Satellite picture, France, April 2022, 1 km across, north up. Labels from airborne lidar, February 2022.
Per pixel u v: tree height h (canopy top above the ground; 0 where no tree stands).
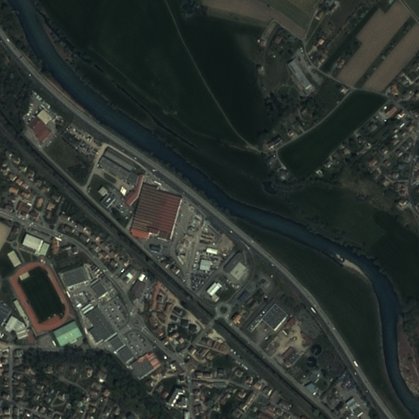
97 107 0
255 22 0
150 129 0
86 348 0
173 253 0
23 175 0
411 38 0
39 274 0
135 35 0
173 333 0
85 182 0
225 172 0
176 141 0
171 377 0
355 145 11
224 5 0
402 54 0
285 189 21
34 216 0
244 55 0
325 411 0
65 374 0
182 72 0
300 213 15
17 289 0
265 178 0
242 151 0
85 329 0
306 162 0
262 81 0
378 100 0
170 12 0
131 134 0
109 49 0
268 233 0
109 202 0
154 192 0
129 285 0
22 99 9
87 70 0
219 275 0
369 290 0
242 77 0
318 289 0
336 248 0
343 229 0
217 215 0
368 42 0
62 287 0
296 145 0
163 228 0
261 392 0
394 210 0
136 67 0
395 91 0
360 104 0
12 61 15
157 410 27
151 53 0
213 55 0
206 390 9
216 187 0
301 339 0
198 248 0
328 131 0
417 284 0
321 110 13
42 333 0
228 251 0
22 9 0
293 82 0
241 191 0
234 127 0
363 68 0
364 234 0
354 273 0
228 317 0
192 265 0
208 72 0
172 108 0
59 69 0
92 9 0
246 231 0
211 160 0
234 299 0
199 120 0
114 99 0
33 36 0
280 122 0
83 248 0
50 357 13
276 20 0
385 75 0
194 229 0
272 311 0
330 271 0
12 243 0
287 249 0
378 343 0
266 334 0
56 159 0
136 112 0
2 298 0
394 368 0
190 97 0
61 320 0
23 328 0
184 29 0
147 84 0
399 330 0
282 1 0
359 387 10
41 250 0
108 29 0
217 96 0
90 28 0
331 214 0
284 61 0
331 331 0
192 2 7
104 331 0
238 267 0
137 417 0
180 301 0
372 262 0
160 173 0
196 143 0
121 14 0
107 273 0
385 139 0
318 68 0
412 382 0
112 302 0
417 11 0
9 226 0
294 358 0
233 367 0
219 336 0
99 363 12
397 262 0
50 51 0
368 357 0
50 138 0
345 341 0
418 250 0
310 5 0
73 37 0
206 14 15
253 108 0
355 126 0
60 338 0
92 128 0
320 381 0
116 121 0
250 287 0
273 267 0
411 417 0
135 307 0
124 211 0
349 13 0
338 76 0
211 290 0
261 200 0
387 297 0
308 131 0
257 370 0
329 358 0
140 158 0
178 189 0
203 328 0
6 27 8
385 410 0
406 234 0
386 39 0
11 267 0
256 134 0
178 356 0
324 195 0
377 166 0
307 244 0
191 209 0
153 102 0
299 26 0
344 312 0
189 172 0
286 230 0
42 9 10
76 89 0
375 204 0
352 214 0
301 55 0
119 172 0
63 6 0
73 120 0
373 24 0
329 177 0
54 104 0
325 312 0
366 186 0
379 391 0
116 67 0
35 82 0
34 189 0
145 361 0
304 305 7
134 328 0
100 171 0
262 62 0
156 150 0
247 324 0
